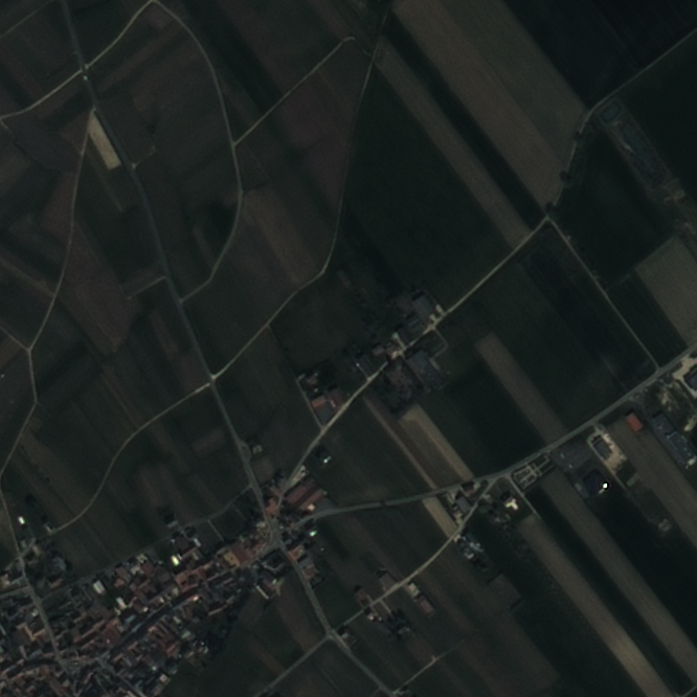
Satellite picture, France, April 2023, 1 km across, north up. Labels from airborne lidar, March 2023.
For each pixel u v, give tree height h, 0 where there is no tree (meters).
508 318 0
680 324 0
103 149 0
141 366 0
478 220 0
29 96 0
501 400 0
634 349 0
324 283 0
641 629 0
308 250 0
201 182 0
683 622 0
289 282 0
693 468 0
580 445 0
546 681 0
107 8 0
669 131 0
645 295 0
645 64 0
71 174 0
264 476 0
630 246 0
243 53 0
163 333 0
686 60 0
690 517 0
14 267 0
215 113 0
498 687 0
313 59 0
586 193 0
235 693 0
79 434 0
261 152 0
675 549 0
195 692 0
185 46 0
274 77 0
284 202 0
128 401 0
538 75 0
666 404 0
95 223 0
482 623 0
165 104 0
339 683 0
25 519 0
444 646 0
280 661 0
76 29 0
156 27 0
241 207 0
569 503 0
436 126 0
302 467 0
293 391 0
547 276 0
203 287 0
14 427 0
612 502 0
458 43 0
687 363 0
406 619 13
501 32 0
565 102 0
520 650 0
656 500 0
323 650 0
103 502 0
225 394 0
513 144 0
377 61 0
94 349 0
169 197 0
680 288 0
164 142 0
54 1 0
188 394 0
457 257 0
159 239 0
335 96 0
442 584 0
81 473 0
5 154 0
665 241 0
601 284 0
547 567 0
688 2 0
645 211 0
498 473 0
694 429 0
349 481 0
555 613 0
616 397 0
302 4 0
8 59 0
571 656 0
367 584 0
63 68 0
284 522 5
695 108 0
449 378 0
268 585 0
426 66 0
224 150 0
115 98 0
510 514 0
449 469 0
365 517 0
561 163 0
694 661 0
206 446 0
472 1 0
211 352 0
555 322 0
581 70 0
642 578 0
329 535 0
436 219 0
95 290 0
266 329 0
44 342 0
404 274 0
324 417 0
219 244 0
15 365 0
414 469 0
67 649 0
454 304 0
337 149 0
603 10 0
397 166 0
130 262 0
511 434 0
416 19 0
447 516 0
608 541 0
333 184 0
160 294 0
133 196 0
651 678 0
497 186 0
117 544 0
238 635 0
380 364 0
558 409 0
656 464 0
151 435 0
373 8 0
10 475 0
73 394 0
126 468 0
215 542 0
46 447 0
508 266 0
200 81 0
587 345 0
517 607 0
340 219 0
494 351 0
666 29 0
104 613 0
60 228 0
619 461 0
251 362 0
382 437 0
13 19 0
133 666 0
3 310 0
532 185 0
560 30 0
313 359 0
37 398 0
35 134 0
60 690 0
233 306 0
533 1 0
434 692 0
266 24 0
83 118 0
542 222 0
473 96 0
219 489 0
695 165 0
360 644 0
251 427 0
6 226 0
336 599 0
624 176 0
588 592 0
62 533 0
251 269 0
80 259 0
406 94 0
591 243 0
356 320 0
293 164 0
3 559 0
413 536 0
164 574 0
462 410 0
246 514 0
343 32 0
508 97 0
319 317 0
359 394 0
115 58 0
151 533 0
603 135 0
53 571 9
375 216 0
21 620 0
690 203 0
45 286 0
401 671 0
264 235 0
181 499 0
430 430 0
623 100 0
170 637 0
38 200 0
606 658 0
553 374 0
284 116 0
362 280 0
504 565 0
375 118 0
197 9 0
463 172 0
